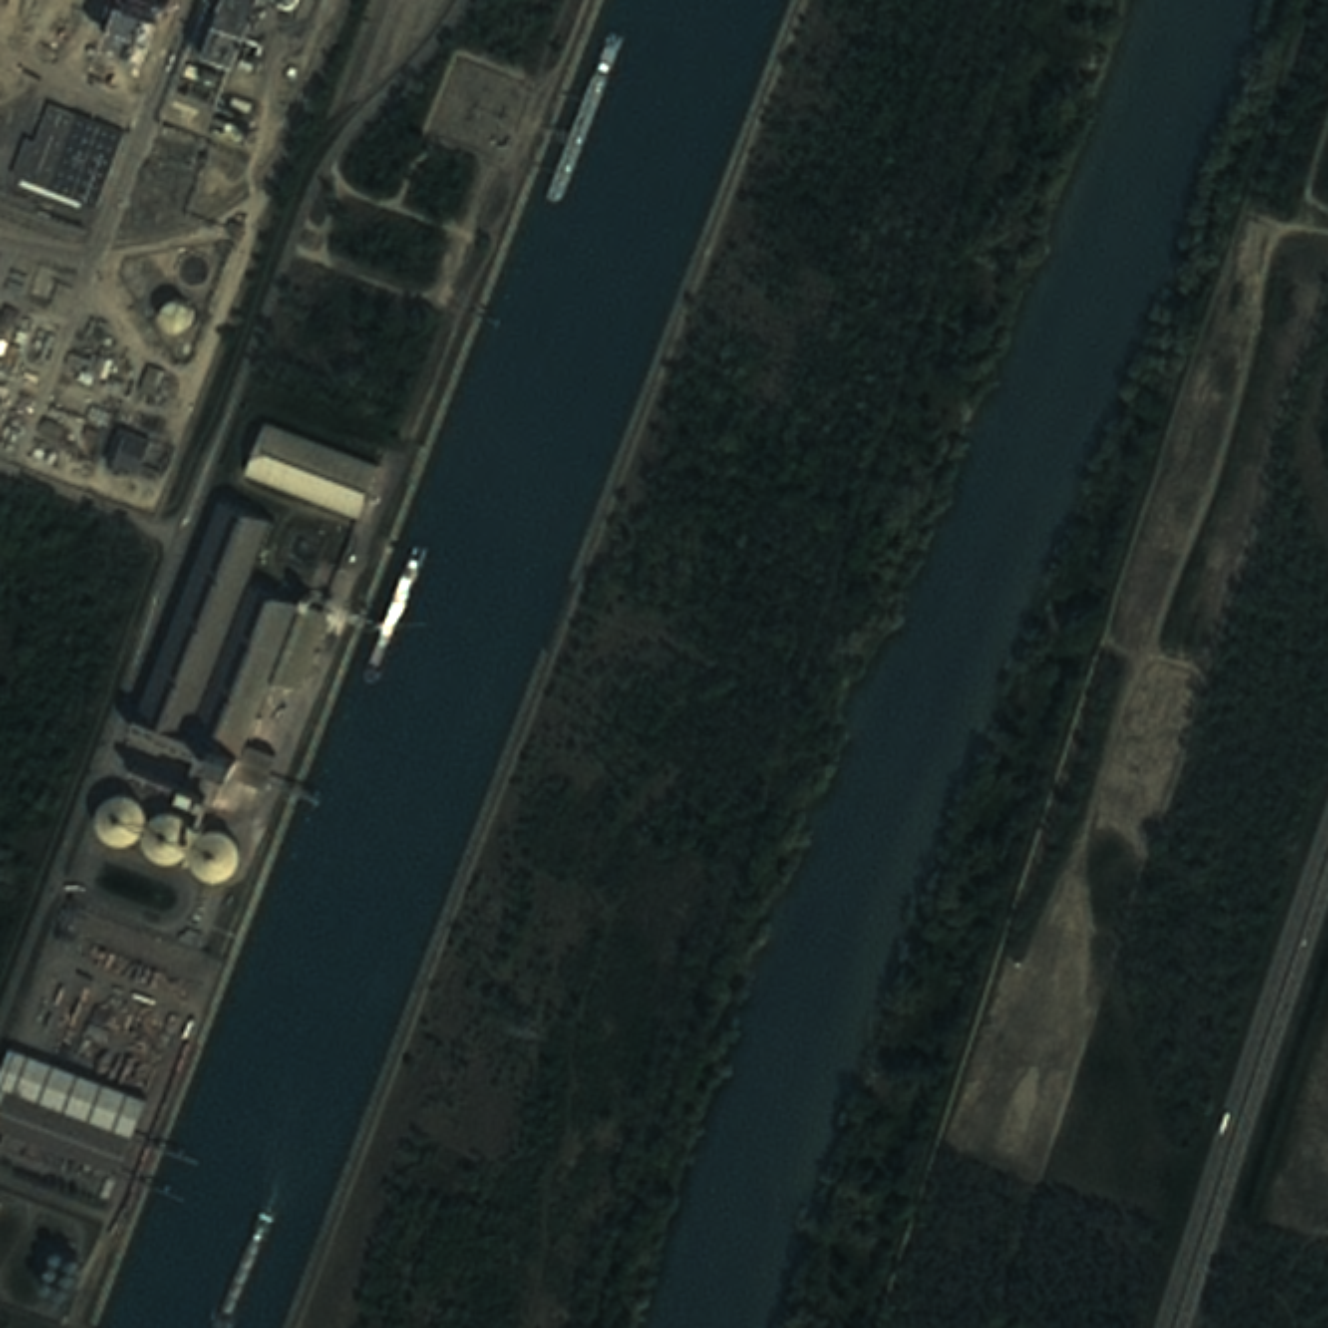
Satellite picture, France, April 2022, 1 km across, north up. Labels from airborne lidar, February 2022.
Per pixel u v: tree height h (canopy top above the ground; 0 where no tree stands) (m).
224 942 0
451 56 11
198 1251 0
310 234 0
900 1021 21
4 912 0
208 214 0
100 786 0
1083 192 0
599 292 0
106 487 0
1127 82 0
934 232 17
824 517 16
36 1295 0
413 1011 0
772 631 15
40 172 0
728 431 20
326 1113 0
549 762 0
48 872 0
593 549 0
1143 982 17
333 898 0
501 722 0
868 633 12
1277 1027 0
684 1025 15
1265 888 11
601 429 0
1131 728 0
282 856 0
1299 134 15
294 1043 0
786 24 0
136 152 0
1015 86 20
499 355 0
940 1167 12
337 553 0
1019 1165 0
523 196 0
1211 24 0
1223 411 0
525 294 0
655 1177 12
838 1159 9
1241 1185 0
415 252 0
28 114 0
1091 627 25
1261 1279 8
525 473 0
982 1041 0
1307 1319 10
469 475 0
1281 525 11
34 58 0
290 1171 0
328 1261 0
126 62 0
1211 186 16
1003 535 0
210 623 0
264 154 0
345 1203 0
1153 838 18
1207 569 0
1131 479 11
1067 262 0
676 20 0
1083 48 0
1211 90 0
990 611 0
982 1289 16
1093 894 0
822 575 16
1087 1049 0
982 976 10
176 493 0
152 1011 0
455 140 0
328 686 0
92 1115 0
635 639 0
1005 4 11
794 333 0
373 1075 0
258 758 0
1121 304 0
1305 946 0
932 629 0
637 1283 9
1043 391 0
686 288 0
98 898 0
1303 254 0
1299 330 0
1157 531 0
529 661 0
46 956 0
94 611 6
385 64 0
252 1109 0
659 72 0
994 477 0
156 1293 0
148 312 0
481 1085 0
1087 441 0
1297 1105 0
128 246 0
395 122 17
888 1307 12
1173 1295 0
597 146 0
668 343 0
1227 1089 0
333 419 0
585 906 0
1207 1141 0
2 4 0
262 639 0
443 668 0
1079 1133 0
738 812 8
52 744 5
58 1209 0
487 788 0
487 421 0
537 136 0
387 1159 0
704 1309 0
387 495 0
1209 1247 0
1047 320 0
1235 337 0
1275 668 12
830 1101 0
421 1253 0
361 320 12
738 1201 0
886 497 20
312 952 0
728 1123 0
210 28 0
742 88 0
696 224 0
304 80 0
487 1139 0
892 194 20
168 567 0
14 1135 0
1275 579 16
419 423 0
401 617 0
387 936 0
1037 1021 0
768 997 0
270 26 0
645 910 0
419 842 0
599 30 0
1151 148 0
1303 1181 0
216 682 0
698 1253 0
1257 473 0
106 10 0
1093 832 0
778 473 6
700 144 0
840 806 0
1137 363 13
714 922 15
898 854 0
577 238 0
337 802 0
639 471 0
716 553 14
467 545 0
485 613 0
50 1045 0
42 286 0
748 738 19
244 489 0
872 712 0
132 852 0
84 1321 0
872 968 0
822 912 0
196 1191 0
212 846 0
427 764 0
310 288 0
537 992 0
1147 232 0
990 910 13
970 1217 14
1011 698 0
